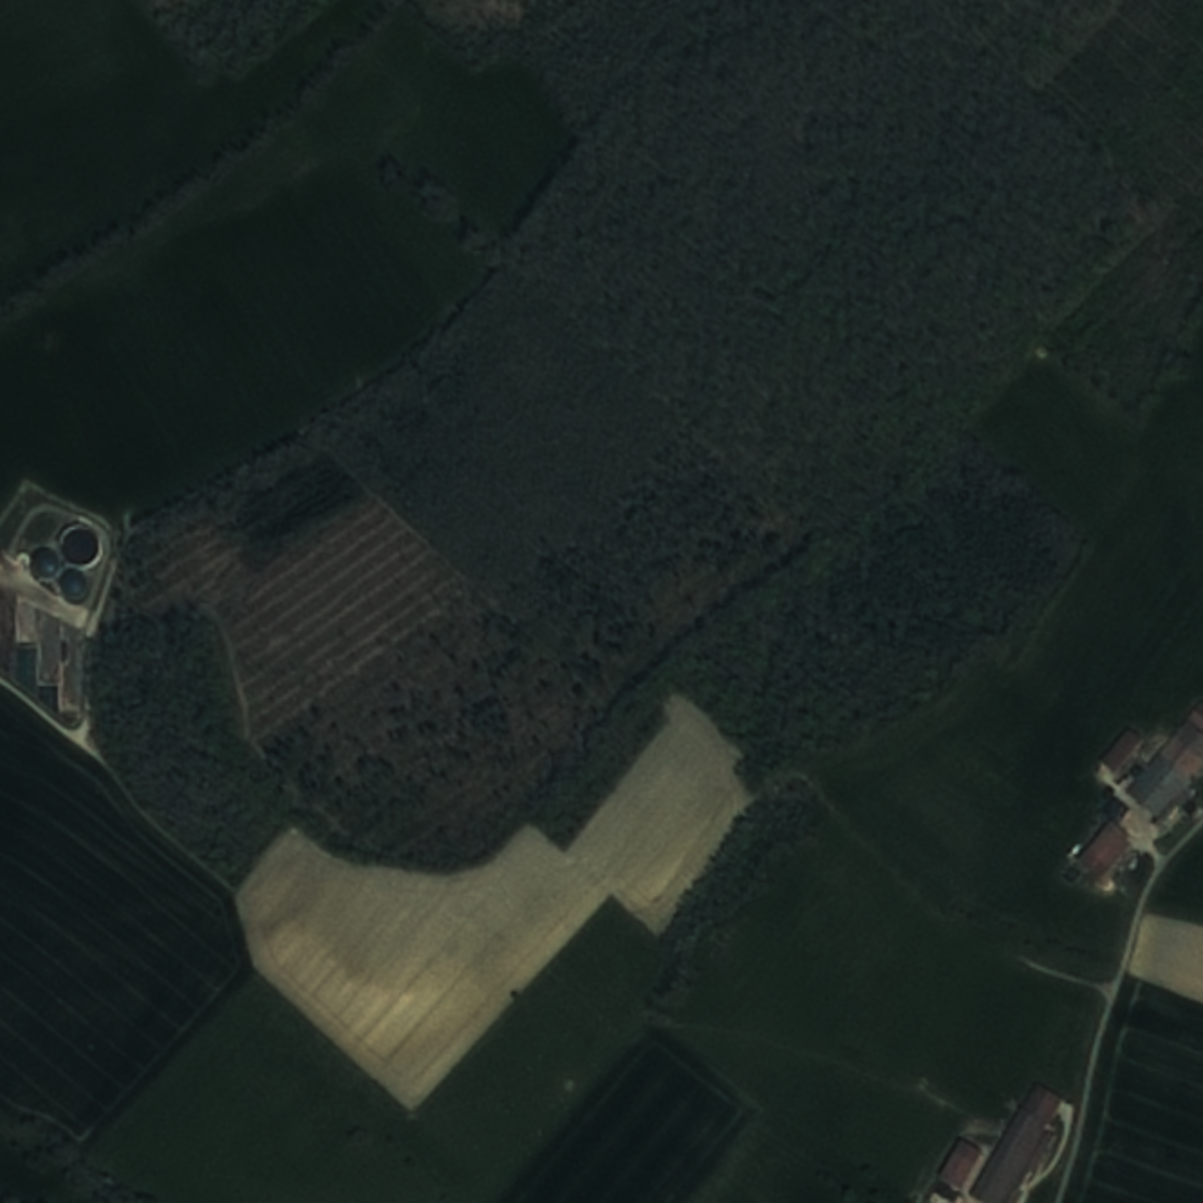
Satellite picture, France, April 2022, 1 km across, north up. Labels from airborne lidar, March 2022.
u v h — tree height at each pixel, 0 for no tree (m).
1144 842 0
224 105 0
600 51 16
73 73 0
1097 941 0
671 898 0
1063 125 22
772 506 17
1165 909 0
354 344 0
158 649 24
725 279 24
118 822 0
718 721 15
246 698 0
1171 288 9
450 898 0
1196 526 0
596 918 0
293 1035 0
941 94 23
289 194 0
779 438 21
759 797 0
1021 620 20
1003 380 21
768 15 23
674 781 0
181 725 23
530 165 0
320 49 0
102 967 0
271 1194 0
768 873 20
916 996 0
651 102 23
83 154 0
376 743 0
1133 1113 0
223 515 21
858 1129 0
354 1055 0
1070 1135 0
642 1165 0
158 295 0
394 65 0
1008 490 23
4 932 0
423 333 0
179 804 18
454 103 0
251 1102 0
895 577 22
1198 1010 0
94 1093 0
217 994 0
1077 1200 0
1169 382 18
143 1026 0
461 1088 0
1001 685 0
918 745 0
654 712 20
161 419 0
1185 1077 0
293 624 0
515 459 12
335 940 0
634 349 24
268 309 0
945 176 25
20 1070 0
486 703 0
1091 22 22
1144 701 0
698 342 22
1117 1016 0
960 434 21
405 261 0
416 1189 0
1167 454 0
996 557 26
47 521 0
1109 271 26
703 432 18
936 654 18
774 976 0
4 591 0
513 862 0
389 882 0
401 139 0
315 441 13
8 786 0
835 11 26
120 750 15
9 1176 0
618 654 18
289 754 17
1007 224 27
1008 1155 0
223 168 15
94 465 0
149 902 0
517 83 0
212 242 0
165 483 0
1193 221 7
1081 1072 0
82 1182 16
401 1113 0
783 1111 0
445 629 0
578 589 15
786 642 27
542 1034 0
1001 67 24
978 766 0
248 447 0
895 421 22
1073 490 0
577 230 23
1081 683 0
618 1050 0
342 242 0
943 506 24
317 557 0
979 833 0
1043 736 0
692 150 26
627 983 0
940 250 28
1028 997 0
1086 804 0
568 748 0
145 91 0
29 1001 0
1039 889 0
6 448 0
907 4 24
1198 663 0
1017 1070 0
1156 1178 0
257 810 17
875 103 23
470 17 0
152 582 19
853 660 19
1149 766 0
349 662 0
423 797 18
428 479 12
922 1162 0
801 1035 0
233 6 17
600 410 12
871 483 24
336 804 17
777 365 22
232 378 0
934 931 0
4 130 0
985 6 28
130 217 0
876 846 0
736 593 0
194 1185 0
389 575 0
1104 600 0
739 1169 0
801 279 26
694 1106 0
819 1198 0
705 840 0
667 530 16
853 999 0
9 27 0
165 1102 0
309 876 0
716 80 22
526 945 0
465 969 0
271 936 0
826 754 12
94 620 0
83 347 0
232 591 0
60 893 0
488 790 0
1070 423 0
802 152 22
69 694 0
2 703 0
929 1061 0
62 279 17
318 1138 0
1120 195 26
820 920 0
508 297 12
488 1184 0
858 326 21
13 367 0
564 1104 0
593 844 0
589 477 9
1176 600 0
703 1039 0
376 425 15
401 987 0
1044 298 25
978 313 25
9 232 0
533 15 16
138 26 0
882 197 22
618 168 24
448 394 13
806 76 26
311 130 0
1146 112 7
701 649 22
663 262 25
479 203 0
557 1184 0
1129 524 0
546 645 15
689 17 15
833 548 21
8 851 0
